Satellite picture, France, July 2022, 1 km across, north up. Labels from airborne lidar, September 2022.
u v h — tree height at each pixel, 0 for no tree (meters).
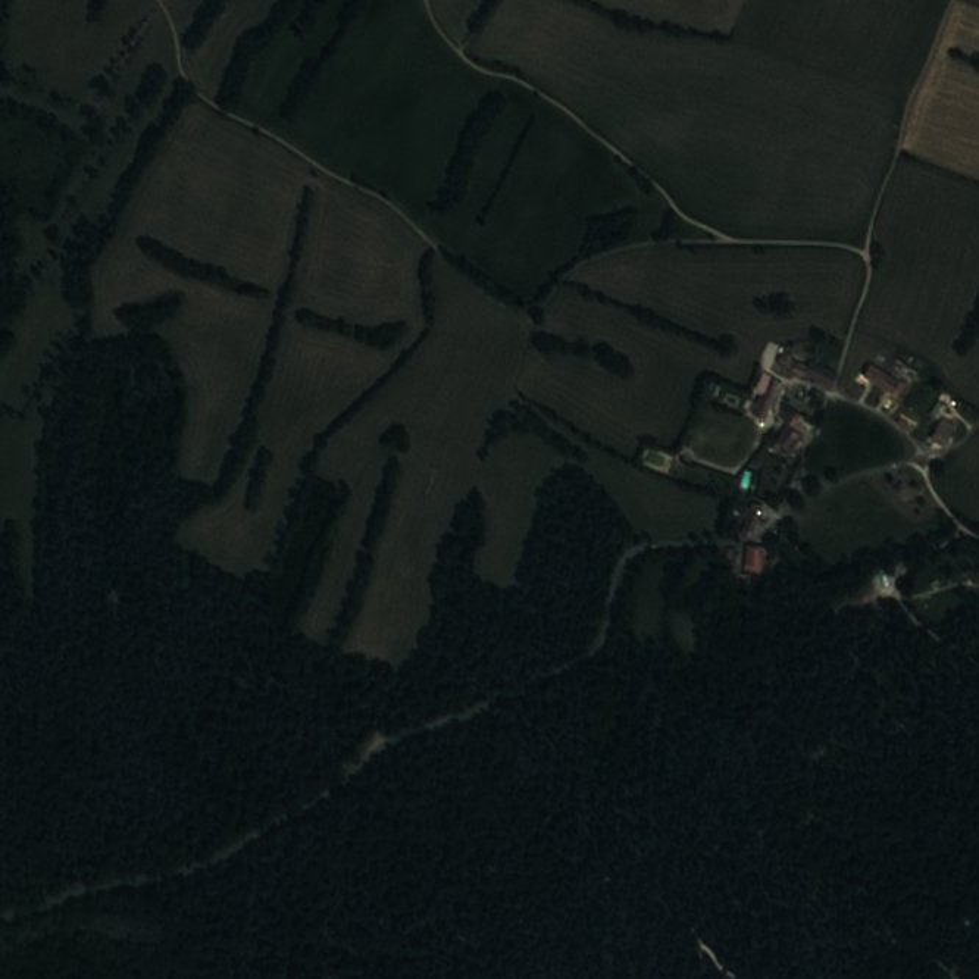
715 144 0
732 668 17
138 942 6
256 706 11
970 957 12
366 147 0
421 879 17
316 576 13
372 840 19
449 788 13
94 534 16
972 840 21
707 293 0
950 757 17
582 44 0
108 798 20
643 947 21
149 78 12
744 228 0
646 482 0
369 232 0
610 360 22
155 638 17
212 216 0
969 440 0
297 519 23
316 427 0
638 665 8
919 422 0
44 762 19
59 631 16
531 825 15
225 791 12
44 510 10
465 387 0
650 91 0
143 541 21
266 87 0
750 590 6
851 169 0
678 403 0
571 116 0
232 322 0
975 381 0
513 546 0
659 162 0
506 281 0
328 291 0
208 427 0
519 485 0
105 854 23
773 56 0
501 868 20
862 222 0
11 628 19
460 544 12
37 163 0
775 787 22
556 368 0
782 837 20
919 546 22
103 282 0
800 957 25
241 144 0
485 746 15
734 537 9
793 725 26
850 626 25
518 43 0
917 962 13
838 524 0
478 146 13
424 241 0
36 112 8
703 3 0
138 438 6
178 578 20
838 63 0
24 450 0
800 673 10
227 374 0
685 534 0
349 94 0
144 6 0
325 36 0
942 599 0
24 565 0
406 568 0
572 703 24
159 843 24
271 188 0
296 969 20
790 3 0
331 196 0
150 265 0
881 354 0
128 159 0
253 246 0
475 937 22
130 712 19
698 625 23
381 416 0
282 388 0
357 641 0
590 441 14
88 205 0
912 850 18
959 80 0
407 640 0
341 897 8
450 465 0
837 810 25
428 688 23
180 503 22
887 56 0
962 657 16
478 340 0
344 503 12
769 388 0
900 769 20
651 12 0
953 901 14
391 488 12
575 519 21
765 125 0
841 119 0
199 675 18
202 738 15
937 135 0
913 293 0
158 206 0
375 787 21
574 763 23
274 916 24
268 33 13
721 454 0
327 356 0
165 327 0
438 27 0
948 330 0
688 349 0
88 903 15
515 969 22
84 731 18
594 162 0
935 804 21
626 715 8
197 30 14
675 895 24
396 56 0
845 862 26
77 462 23
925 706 14
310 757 20
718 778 31
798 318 0
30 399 18
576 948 22
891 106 0
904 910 16
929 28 0
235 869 23
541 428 14
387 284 0
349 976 12
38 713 13
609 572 17
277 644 7
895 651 15
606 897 32
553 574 20
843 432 0
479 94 0
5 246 20
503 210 0
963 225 0
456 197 17
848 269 0
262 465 14
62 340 16
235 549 0
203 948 17
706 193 0
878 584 0
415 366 0
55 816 19
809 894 13
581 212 0
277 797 24
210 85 0
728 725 6
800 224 0
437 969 21
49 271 0
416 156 0
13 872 17
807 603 20
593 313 0
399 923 22
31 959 20
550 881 23
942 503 0
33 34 0
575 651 18
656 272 0
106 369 17
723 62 0
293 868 21
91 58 0
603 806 13
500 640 24
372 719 18
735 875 9
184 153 0
